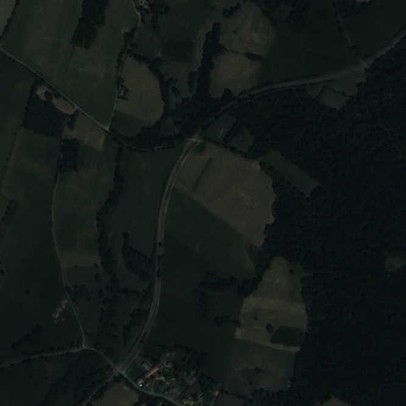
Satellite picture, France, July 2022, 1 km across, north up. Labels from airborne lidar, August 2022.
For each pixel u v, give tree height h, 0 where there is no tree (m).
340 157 29
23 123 7
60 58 0
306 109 25
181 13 0
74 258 0
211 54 19
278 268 0
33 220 0
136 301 0
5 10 0
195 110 23
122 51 7
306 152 21
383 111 23
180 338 0
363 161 29
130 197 0
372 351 23
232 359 0
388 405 17
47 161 0
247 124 15
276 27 18
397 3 0
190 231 0
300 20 16
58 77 0
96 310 0
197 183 0
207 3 0
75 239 0
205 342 0
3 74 0
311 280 17
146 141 6
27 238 0
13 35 0
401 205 26
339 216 20
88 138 0
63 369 0
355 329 22
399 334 23
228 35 0
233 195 0
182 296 0
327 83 7
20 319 0
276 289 0
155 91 0
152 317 0
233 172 0
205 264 0
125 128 0
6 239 0
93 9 18
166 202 0
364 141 27
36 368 0
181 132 15
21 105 0
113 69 0
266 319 0
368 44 0
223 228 0
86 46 7
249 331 0
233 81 0
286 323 0
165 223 0
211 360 0
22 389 0
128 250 10
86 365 8
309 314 14
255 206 0
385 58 14
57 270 0
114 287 19
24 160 0
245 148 0
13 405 0
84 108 0
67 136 0
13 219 0
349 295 21
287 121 22
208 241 0
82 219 0
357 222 23
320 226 21
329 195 24
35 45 0
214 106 23
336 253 25
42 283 0
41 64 0
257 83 0
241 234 0
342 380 18
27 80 0
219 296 0
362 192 24
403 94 23
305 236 22
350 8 23
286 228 11
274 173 16
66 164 20
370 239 18
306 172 18
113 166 0
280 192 8
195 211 0
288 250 16
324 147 25
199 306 7
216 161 0
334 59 0
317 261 23
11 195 0
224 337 0
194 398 19
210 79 15
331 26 0
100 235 6
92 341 0
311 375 21
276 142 19
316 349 21
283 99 14
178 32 0
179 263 0
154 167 0
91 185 0
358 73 0
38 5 0
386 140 17
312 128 24
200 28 0
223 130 0
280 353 0
